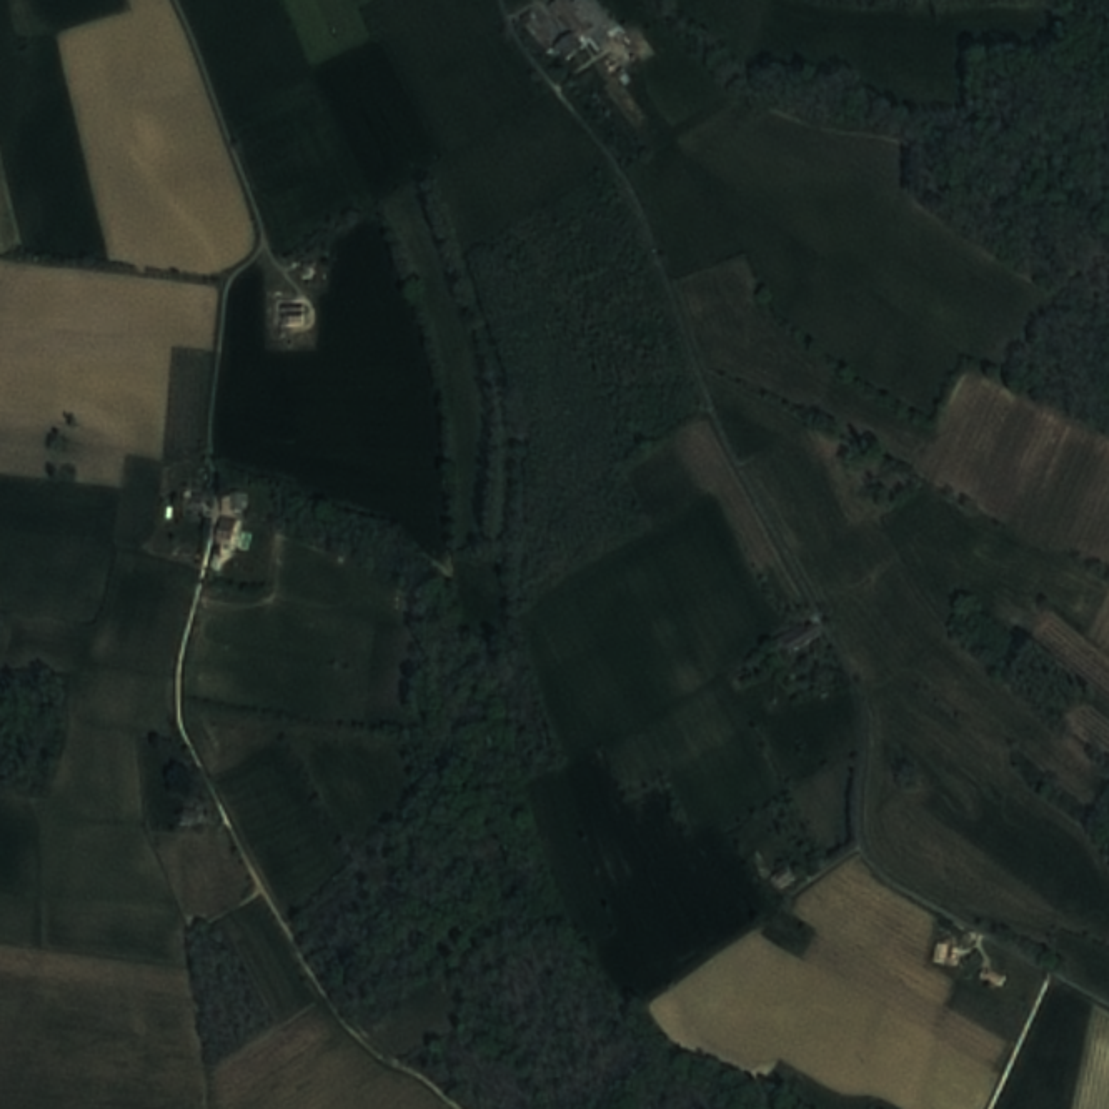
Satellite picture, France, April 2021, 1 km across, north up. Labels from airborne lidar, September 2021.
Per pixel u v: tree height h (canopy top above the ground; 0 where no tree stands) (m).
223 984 15
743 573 0
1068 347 19
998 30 0
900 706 0
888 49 0
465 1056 13
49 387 0
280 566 0
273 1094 0
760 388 0
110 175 0
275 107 0
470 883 25
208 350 0
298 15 0
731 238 0
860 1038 0
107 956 0
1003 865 0
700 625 0
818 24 0
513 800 13
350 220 14
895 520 0
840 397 0
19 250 6
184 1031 0
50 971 0
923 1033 0
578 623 0
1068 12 29
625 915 0
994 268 0
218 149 0
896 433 0
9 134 0
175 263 0
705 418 0
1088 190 23
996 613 0
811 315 0
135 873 0
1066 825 0
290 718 7
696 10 0
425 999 15
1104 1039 0
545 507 12
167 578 0
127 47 0
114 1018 0
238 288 0
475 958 16
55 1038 0
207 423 0
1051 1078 0
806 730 0
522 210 0
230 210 0
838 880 0
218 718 0
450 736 18
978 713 0
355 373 0
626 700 0
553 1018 18
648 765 0
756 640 0
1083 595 0
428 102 0
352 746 0
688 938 0
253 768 0
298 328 0
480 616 0
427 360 9
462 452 0
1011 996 0
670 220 0
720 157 0
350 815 0
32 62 0
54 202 0
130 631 0
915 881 0
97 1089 0
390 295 0
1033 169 23
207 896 0
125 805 0
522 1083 20
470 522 0
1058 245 19
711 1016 0
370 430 0
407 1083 0
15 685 20
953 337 0
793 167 0
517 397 24
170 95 0
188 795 11
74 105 0
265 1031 14
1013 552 0
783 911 21
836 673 10
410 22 0
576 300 7
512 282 11
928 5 34
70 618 0
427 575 14
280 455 0
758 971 0
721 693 0
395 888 20
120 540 0
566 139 0
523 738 16
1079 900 0
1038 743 0
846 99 22
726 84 16
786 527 0
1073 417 19
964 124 12
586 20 0
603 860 0
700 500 0
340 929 19
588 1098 15
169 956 0
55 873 0
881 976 0
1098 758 16
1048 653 6
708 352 0
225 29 0
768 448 0
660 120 0
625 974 0
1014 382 20
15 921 0
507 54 0
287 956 0
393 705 0
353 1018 14
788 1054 0
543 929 16
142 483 0
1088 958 0
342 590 0
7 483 0
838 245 0
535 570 12
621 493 8
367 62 0
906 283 0
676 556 0
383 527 12
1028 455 0
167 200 0
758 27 0
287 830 0
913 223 0
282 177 0
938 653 0
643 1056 17
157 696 0
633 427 11
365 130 0
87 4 0
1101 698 5
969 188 18
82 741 0
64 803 0
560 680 0
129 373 0
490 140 0
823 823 0
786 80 23
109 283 0
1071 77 23
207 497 10
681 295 0
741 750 0
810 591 0
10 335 0
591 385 11
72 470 0
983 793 0
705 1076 20
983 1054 0
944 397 11
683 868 0
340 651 0
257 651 0
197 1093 0
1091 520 0
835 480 0
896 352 0
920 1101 0
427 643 21
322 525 12
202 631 0
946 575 0
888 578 0
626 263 8
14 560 0
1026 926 0
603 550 8
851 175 0
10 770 21
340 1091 0
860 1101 0
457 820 27
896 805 0
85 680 0
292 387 0
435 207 28
